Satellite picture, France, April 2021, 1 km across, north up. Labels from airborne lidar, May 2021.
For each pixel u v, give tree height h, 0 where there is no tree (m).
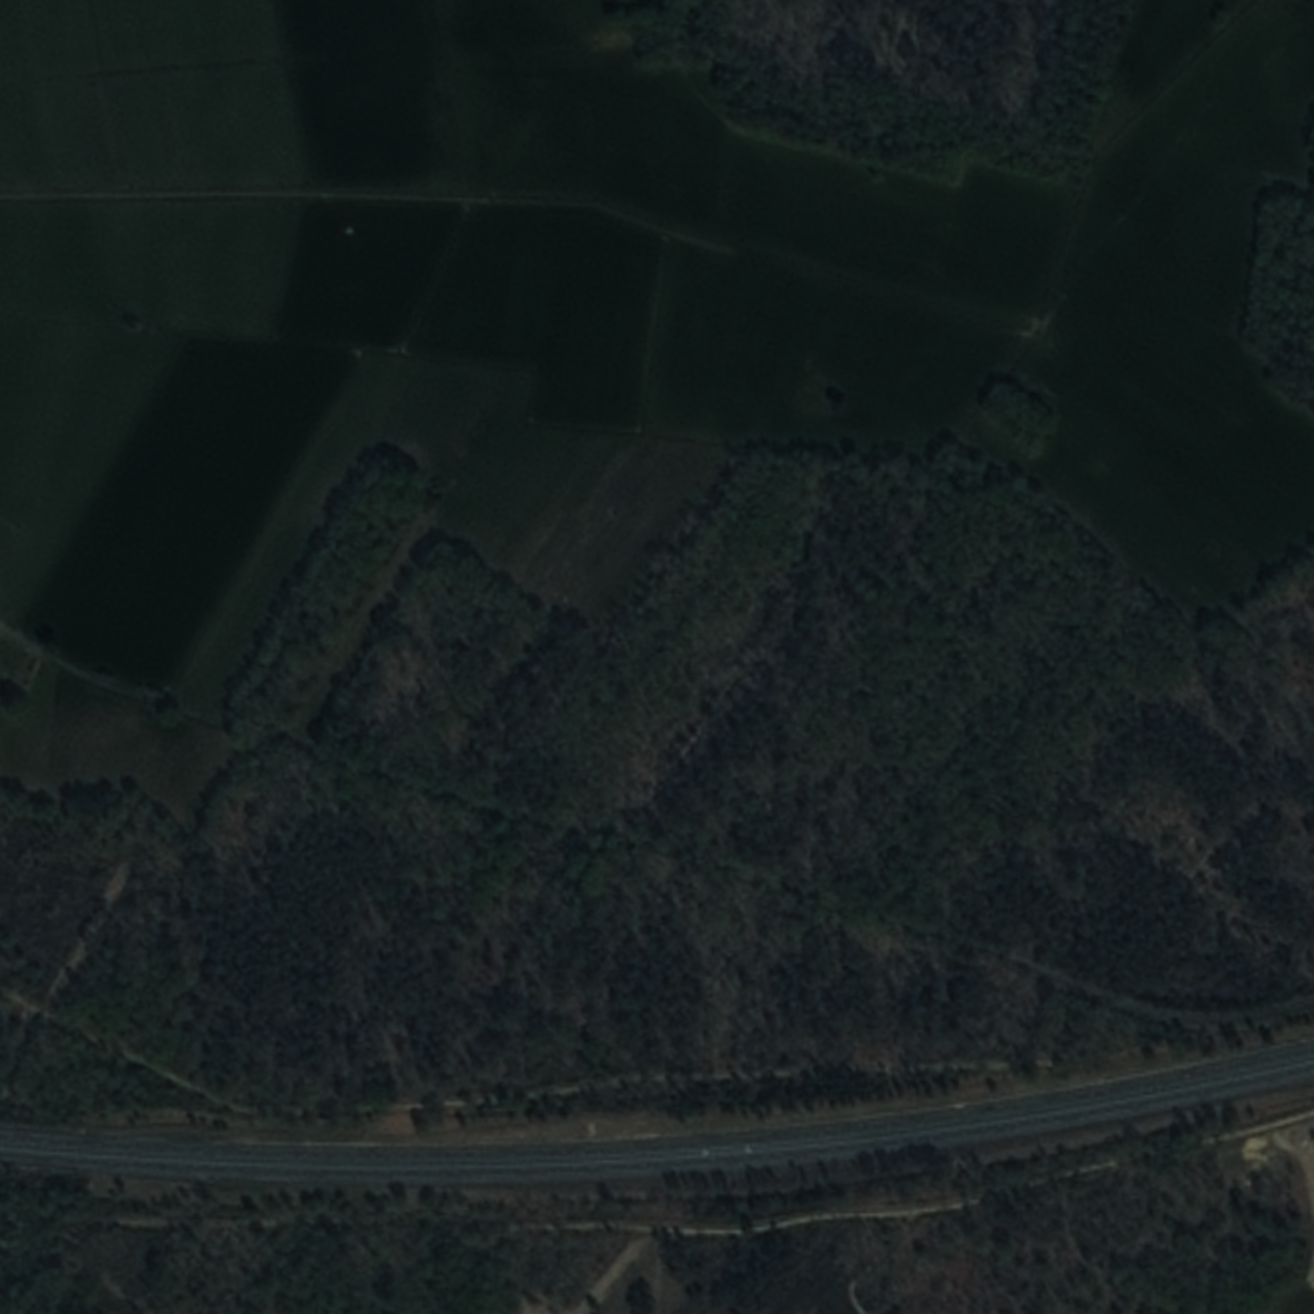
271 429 0
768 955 14
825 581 27
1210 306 0
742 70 15
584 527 0
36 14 0
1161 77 0
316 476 0
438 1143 0
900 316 0
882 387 0
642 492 0
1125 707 20
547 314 0
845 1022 25
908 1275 13
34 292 0
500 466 0
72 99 0
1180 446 0
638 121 0
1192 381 0
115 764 0
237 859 12
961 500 22
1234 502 0
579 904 20
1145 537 0
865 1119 0
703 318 0
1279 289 18
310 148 0
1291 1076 0
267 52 0
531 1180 0
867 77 24
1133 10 15
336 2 0
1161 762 24
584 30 0
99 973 15
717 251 0
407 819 20
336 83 0
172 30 0
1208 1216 13
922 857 23
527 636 17
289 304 0
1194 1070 0
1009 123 18
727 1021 16
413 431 0
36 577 0
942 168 17
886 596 19
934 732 16
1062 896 20
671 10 15
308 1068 19
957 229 0
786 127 19
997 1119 0
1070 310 0
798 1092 12
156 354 0
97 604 0
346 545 24
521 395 0
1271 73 0
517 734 24
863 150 16
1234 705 23
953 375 0
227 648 0
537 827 13
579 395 0
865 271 0
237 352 0
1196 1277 18
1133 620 20
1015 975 13
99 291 0
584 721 20
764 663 15
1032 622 19
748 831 26
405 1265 13
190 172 0
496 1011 15
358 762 23
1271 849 23
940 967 16
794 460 17
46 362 0
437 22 0
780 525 19
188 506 0
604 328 0
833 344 0
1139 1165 14
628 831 16
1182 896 24
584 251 0
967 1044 10
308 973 19
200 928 22
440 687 19
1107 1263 7
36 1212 14
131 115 0
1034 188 0
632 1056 17
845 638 20
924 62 19
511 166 0
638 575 0
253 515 0
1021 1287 10
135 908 17
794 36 12
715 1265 7
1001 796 24
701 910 15
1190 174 0
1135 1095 0
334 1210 11
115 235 0
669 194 0
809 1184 10
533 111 0
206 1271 11
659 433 0
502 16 0
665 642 16
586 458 0
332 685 0
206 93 0
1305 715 15
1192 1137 21
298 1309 24
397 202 0
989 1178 11
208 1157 0
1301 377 22
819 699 23
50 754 0
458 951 18
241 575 0
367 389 0
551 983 17
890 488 20
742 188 0
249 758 14
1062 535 21
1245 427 0
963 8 20
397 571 0
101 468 0
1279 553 0
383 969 10
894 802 20
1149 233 0
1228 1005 11
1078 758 17
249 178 0
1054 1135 0
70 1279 21
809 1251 8
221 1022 12
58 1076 14
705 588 12
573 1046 13
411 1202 16
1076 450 0
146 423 0
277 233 0
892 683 20
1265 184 0
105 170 0
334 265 0
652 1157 0
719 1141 0
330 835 23
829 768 19
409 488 21
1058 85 25
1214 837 18
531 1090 6
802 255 0
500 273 0
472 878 21
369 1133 13
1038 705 23
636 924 21
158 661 0
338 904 29
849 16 12
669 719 15
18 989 9
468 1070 16
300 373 0
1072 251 0
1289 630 13
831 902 21
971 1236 18
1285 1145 0
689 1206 12
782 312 0
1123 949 24
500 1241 13
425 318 0
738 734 25
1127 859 25
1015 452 0
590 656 22
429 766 24
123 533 0
